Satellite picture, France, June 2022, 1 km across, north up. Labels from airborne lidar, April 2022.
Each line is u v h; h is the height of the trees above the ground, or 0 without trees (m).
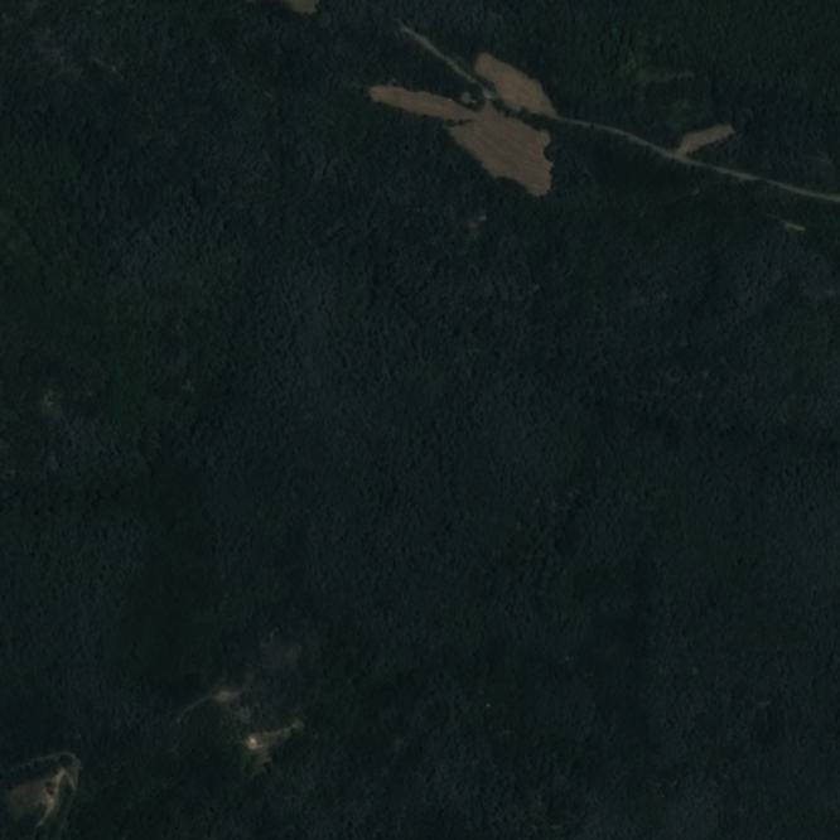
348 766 14
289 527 17
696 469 15
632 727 14
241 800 14
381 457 22
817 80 19
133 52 8
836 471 16
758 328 13
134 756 10
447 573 18
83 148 18
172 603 11
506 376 17
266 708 14
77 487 20
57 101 7
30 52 7
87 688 21
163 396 14
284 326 14
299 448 18
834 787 12
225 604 18
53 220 16
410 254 13
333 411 18
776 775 13
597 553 21
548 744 18
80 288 14
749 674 19
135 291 18
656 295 8
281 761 12
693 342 15
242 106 14
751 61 18
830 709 11
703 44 18
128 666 15
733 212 12
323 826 18
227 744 8
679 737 18
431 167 14
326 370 13
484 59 0
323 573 19
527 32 13
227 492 14
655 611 19
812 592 18
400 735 14
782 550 16
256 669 10
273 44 14
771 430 11
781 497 19
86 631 12
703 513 14
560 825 15
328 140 13
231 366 22
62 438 14
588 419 13
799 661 19
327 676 12
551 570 19
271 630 6
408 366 17
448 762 16
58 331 13
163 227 18
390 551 21
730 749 8
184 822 19
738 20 16
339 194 12
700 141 0
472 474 20
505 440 15
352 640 6
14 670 18
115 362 15
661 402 16
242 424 16
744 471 17
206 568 13
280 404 16
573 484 18
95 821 18
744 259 21
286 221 16
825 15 15
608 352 12
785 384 11
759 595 20
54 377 10
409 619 18
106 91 11
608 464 21
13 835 14
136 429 18
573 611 19
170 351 12
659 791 13
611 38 11
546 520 17
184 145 9
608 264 10
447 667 11
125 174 18
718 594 19
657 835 12
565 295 15
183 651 13
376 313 18
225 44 16
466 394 20
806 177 6
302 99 15
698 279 12
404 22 9
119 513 17
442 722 9
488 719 10
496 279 16
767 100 16
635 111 12
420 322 21
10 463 8
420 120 15
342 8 15
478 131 0
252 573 19
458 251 12
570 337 14
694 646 18
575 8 14
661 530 17
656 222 9
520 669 12
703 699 9
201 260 14
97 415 19
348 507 22
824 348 15
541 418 16
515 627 20
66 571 20
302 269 16
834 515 13
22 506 14
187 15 15
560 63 10
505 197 13
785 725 13
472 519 17
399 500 20
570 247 20
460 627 19
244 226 9
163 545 12
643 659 18
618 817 12
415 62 13
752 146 12
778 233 12
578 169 17
